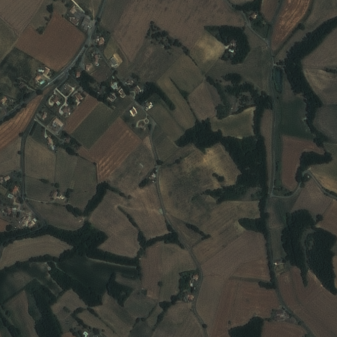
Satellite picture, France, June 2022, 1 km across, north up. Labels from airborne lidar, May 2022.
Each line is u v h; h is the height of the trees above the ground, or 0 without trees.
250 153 14
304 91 18
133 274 0
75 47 0
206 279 0
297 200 0
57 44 0
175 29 0
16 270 0
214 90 0
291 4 0
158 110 0
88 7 0
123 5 0
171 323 0
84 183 0
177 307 0
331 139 0
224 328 0
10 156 0
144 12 0
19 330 12
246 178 10
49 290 8
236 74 10
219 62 0
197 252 0
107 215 0
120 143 0
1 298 0
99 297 15
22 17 0
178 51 0
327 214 0
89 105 0
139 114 0
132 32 0
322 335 0
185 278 7
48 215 0
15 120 0
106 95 6
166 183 0
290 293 0
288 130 0
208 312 0
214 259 0
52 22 0
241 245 0
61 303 0
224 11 0
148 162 0
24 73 0
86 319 0
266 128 0
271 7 0
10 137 0
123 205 0
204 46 0
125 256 7
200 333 0
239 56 12
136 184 0
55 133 0
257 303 0
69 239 18
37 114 0
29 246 0
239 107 7
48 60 0
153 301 0
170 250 0
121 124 0
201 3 0
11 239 11
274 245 0
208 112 0
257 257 0
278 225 0
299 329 0
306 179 6
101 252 10
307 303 0
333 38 0
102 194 15
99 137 0
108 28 0
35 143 0
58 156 0
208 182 0
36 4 0
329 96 0
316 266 13
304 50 19
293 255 10
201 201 0
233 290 0
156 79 0
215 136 15
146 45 0
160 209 0
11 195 0
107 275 0
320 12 0
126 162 0
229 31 15
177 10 0
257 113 16
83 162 0
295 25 0
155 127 0
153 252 0
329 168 0
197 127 13
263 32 0
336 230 0
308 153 12
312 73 0
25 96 14
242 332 15
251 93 8
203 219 0
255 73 0
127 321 0
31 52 0
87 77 11
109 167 0
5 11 0
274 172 0
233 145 9
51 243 0
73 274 0
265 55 0
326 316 0
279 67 10
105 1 0
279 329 0
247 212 0
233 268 0
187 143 11
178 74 0
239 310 0
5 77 0
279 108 0
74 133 0
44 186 0
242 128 0
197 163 0
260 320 16
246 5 9
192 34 0
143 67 0
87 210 9
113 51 0
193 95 0
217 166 0
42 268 0
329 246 20
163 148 0
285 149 0
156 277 0
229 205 0
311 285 0
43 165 0
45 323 13
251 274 0
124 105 0
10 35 0
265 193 12
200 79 0
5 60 0
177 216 0
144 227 0
